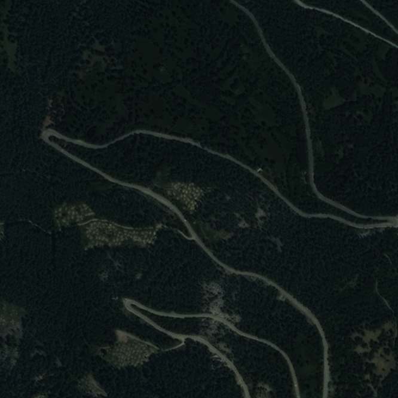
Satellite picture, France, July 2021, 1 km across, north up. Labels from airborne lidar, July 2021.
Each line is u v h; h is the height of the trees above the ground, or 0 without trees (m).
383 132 15
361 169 22
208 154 8
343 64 17
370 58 17
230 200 8
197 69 11
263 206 11
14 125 13
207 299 14
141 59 12
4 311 0
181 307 16
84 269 31
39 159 24
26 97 20
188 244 27
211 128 13
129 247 9
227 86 0
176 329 10
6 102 25
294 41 18
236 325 8
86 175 18
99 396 0
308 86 17
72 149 9
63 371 27
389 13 18
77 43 10
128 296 6
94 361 25
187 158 13
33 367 19
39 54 20
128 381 22
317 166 13
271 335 9
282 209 15
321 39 12
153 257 29
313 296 20
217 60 10
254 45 18
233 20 0
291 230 26
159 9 12
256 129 13
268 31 13
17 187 17
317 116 8
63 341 31
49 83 16
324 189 15
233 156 11
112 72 15
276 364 7
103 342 18
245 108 8
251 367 25
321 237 28
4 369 13
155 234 0
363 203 14
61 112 12
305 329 20
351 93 14
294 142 11
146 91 19
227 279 9
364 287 9
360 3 17
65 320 31
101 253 31
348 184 11
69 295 27
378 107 15
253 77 11
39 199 26
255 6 16
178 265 28
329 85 15
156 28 9
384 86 22
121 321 27
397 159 7
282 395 21
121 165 11
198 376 16
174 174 18
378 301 15
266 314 23
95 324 27
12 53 0
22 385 16
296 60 16
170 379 21
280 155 0
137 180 8
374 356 7
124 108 0
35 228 7
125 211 28
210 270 21
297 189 16
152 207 20
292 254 26
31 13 12
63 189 28
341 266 21
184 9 20
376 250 20
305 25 26
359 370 16
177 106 10
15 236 23
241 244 14
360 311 7
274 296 8
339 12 10
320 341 12
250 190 20
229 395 21
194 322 13
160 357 7
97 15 15
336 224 13
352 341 21
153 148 8
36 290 19
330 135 22
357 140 20
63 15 12
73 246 28
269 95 9
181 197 0
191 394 27
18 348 8
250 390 9
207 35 13
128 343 0
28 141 23
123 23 16
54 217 23
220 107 14
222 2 12
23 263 28
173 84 13
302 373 0
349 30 17
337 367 8
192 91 9
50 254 33
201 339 0
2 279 22
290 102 13
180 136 11
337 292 10
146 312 10
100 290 30
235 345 21
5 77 11
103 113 20
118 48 0
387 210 12
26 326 22
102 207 27
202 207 24
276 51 12
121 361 0
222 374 13
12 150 29
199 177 28
